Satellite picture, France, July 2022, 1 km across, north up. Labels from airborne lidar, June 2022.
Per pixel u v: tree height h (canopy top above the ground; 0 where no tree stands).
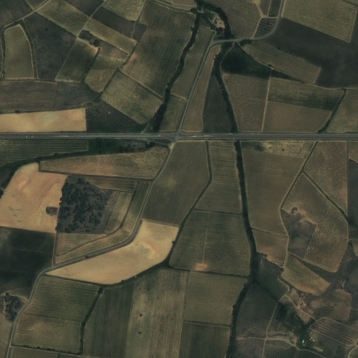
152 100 0
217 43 0
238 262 0
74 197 14
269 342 0
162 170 0
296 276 0
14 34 0
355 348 0
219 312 0
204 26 0
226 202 0
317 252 0
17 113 10
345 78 0
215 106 0
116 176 0
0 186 0
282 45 0
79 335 0
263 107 0
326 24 0
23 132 0
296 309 0
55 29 0
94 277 0
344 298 0
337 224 0
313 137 0
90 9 0
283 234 0
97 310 0
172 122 0
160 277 0
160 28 0
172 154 0
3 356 0
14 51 0
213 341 0
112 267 0
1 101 0
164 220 0
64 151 0
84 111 0
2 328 0
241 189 7
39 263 0
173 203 0
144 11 0
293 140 0
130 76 0
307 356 0
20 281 0
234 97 0
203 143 0
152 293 0
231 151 0
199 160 0
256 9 0
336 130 0
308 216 0
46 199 0
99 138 7
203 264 0
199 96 0
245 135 0
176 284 0
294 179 0
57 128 0
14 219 0
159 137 0
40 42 0
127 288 0
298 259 0
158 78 0
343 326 0
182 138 0
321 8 0
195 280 0
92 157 0
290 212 0
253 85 0
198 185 0
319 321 0
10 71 0
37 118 0
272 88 0
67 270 0
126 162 0
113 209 0
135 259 0
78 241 0
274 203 0
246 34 0
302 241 0
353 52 0
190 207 0
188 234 0
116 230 0
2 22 0
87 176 0
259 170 0
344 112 0
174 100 0
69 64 0
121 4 0
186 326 0
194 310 0
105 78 0
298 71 0
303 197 0
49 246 0
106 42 0
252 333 0
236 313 13
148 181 0
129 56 0
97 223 12
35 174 0
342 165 0
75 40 0
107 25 0
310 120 0
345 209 0
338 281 0
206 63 0
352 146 0
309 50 0
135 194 0
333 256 0
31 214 0
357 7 0
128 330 0
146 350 0
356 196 0
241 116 0
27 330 0
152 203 0
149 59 0
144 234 0
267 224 0
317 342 0
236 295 0
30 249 0
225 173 0
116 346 0
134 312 0
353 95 0
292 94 0
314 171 0
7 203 0
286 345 0
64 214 9
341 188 0
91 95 0
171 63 0
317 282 0
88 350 0
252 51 0
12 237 0
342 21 0
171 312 0
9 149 0
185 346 0
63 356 0
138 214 0
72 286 0
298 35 0
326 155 0
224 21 10
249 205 0
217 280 0
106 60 0
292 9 0
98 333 0
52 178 0
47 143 0
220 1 0
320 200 0
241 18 0
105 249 0
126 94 0
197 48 0
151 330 0
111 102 0
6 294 9
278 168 0
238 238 0
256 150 0
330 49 0
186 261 0
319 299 0
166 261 0
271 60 0
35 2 0
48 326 0
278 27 0
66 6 0
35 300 0
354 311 0
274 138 0
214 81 0
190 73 0
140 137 0
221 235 0
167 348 0
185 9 0
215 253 0
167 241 0
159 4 0
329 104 0
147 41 0
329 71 0
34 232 0
